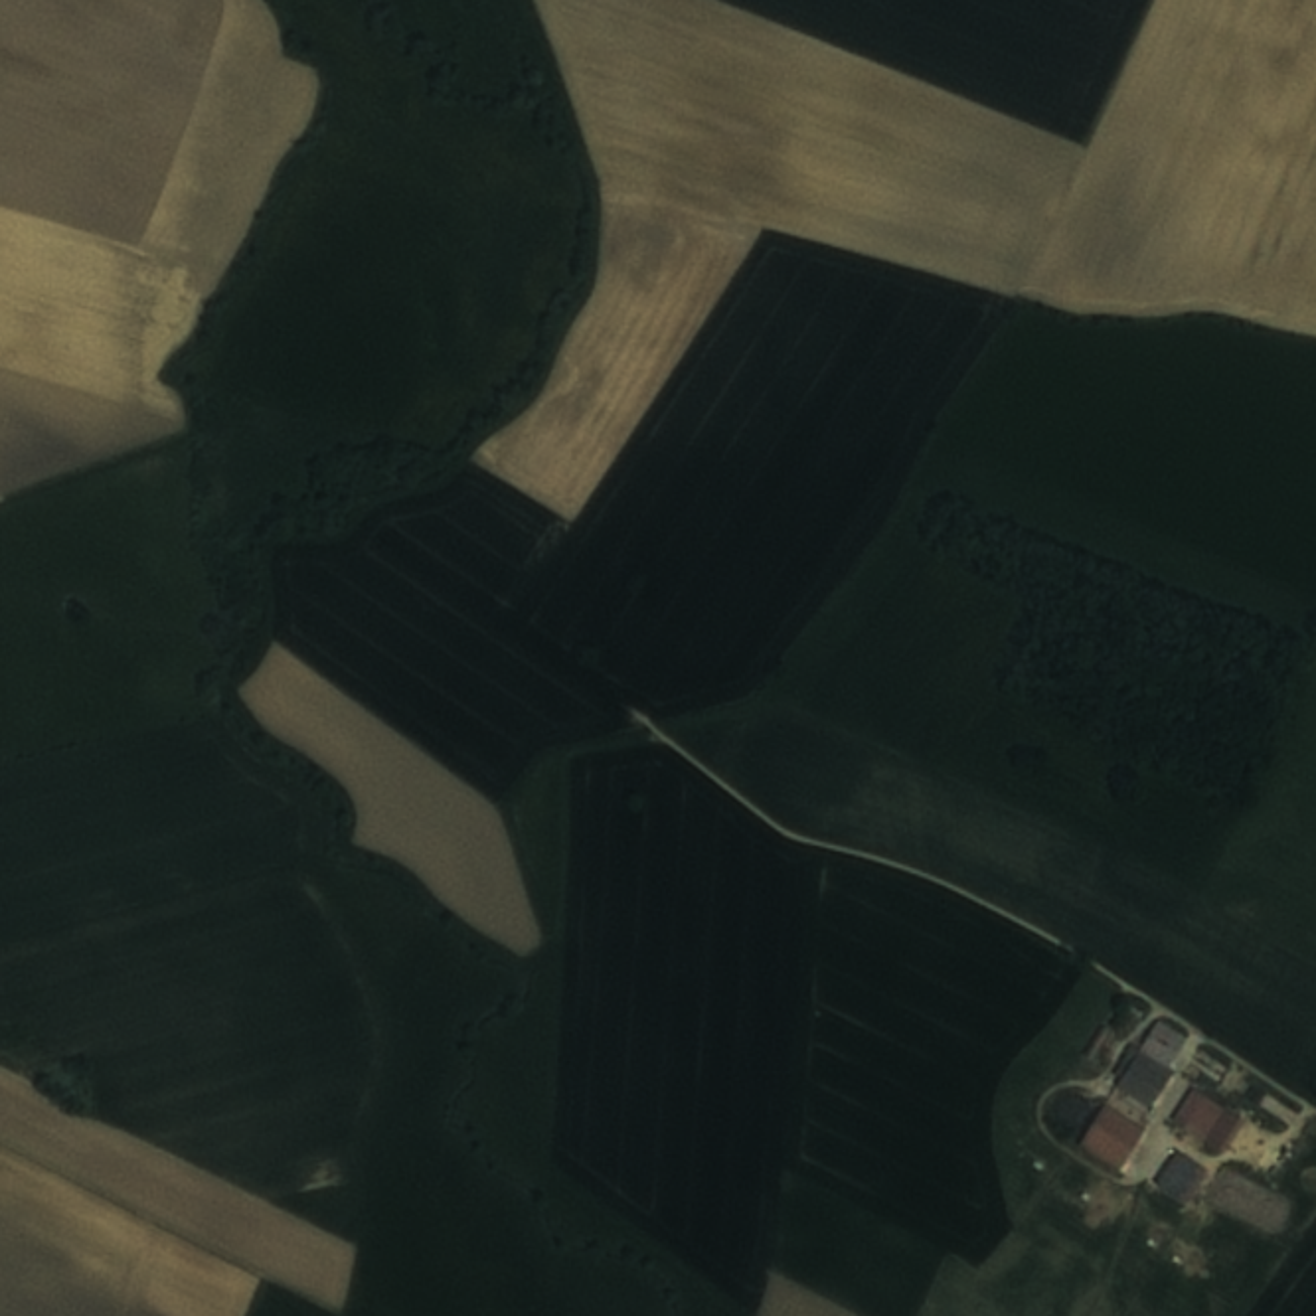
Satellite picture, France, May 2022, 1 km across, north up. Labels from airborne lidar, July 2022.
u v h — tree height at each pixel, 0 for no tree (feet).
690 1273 0
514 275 0
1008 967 0
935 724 0
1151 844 0
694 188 0
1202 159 0
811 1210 0
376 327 0
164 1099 0
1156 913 0
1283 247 0
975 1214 0
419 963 0
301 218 0
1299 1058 0
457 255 0
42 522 0
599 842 0
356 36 0
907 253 0
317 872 0
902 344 0
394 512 0
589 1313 0
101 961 0
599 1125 0
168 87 0
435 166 0
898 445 0
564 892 0
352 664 0
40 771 0
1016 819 0
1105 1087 0
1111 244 0
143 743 0
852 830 0
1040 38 0
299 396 0
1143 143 0
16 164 0
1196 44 0
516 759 0
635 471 0
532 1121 0
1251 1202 0
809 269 0
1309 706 0
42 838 0
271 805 0
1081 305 0
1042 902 0
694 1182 0
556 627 0
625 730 0
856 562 0
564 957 0
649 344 0
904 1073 0
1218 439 0
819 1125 0
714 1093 0
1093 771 0
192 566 0
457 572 0
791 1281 0
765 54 0
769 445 0
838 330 0
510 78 0
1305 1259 0
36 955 0
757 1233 0
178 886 0
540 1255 0
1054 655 83
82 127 0
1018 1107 0
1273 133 0
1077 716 60
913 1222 0
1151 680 98
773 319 0
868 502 0
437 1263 0
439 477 36
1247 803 63
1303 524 0
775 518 0
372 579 0
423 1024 0
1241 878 0
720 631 0
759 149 0
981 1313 0
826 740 0
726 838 0
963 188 0
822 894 0
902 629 0
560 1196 0
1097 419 0
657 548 0
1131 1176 0
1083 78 0
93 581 0
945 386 0
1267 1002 0
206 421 20
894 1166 0
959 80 0
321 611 0
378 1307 0
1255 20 0
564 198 0
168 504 0
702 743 0
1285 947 0
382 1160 0
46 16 0
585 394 0
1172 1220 0
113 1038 0
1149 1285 0
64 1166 0
